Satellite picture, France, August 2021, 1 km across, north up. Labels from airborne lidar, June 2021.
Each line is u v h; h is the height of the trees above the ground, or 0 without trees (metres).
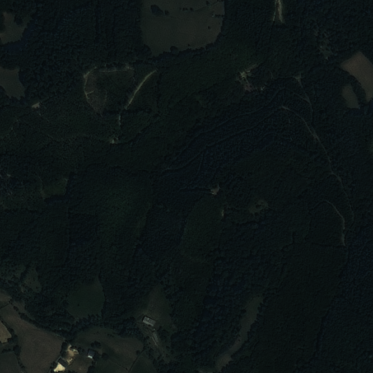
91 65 24
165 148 23
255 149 20
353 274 25
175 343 14
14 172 22
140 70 20
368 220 24
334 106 32
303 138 15
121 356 0
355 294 26
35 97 23
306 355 24
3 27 24
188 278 6
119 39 22
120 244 31
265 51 16
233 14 16
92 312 0
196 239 21
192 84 24
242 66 18
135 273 27
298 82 11
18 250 24
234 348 0
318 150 13
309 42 21
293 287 14
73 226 16
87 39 28
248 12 22
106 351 0
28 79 28
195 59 17
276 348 10
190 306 25
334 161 11
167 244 6
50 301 22
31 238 22
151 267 27
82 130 22
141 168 28
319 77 20
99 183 19
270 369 12
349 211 10
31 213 32
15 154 27
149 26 0
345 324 28
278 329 12
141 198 25
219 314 21
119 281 22
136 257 34
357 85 27
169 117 21
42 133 22
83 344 0
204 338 25
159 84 26
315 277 16
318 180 13
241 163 20
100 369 0
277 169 18
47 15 20
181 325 24
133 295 19
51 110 19
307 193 13
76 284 29
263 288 19
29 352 0
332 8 28
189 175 12
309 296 15
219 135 10
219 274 11
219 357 0
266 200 18
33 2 31
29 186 25
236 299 23
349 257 22
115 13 14
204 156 13
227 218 24
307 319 20
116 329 9
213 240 21
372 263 24
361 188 28
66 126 19
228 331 10
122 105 22
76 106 20
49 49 32
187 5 0
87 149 29
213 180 12
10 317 0
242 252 25
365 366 19
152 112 20
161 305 0
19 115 23
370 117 21
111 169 31
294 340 13
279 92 9
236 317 15
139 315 0
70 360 0
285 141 22
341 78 22
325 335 31
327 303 21
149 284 16
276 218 32
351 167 27
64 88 22
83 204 25
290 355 8
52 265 21
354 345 20
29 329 0
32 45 34
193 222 23
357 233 17
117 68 20
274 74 19
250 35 26
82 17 20
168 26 0
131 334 15
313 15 22
